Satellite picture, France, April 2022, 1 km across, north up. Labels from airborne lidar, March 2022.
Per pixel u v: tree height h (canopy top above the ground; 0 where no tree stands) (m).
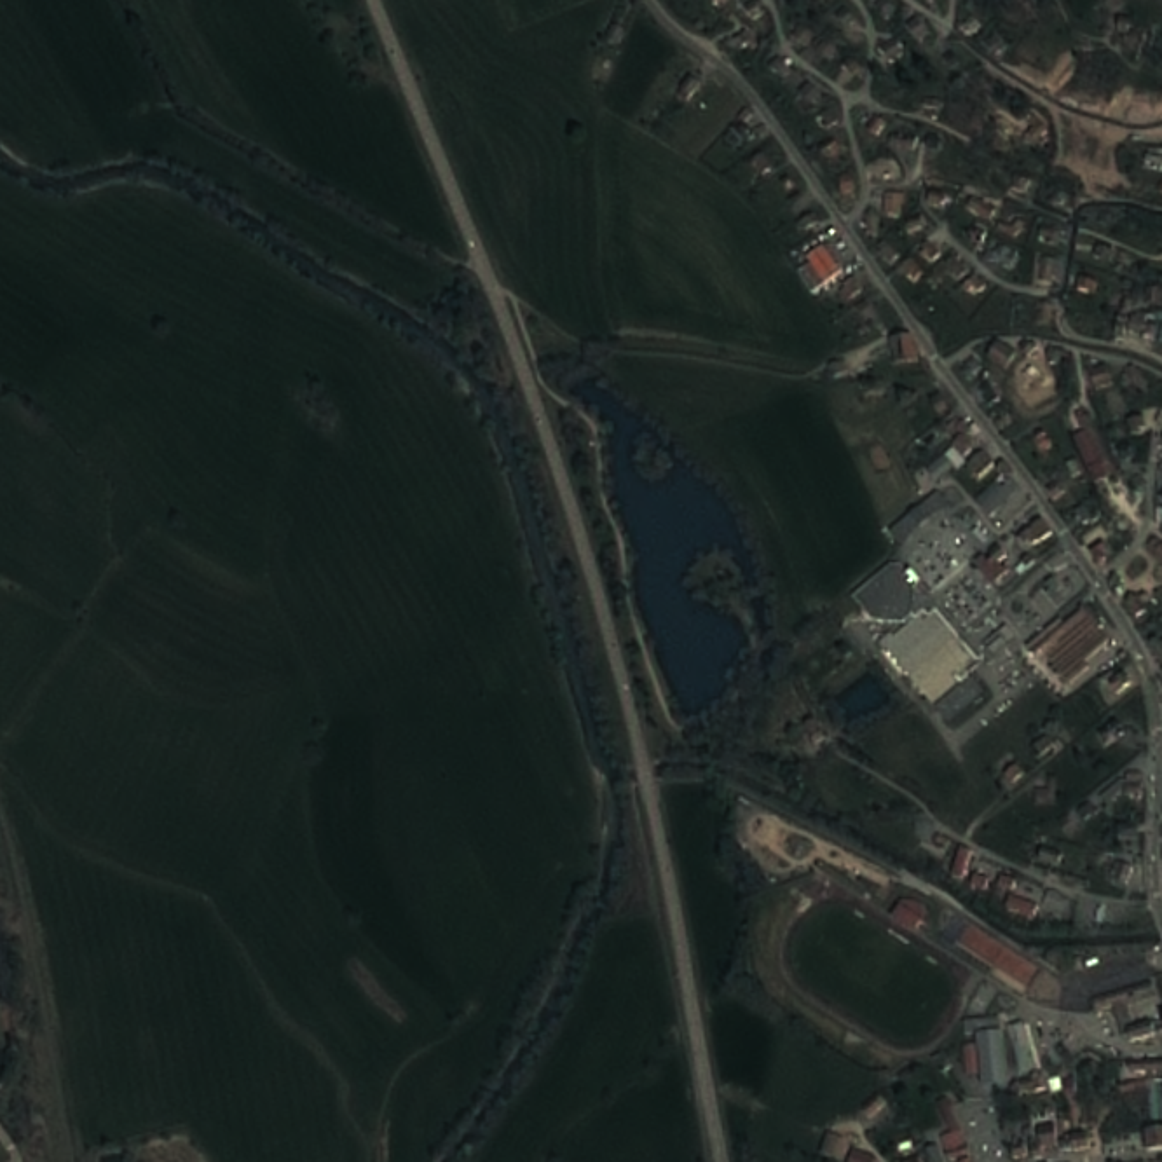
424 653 0
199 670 0
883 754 0
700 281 0
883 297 0
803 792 12
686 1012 0
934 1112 0
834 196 0
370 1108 0
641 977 0
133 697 0
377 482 0
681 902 0
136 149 0
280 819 0
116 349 0
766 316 0
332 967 0
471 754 0
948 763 0
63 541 0
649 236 0
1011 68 0
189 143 0
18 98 0
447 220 0
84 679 0
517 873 0
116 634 0
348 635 0
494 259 0
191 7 0
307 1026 0
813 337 0
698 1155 0
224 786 0
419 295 0
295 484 0
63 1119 0
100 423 0
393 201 0
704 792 0
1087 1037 0
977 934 0
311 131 0
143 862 0
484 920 0
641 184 0
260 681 0
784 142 0
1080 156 0
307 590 0
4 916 16
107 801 0
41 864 0
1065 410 0
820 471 0
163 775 0
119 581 0
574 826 0
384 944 0
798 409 0
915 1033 0
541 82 0
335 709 0
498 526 0
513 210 0
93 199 0
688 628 0
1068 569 0
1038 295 0
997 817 0
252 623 0
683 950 0
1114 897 0
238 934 0
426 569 0
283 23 0
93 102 0
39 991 0
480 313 18
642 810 0
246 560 0
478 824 0
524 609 0
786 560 0
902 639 0
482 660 0
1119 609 0
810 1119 0
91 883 0
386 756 0
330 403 18
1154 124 0
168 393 0
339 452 0
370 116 0
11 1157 0
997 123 9
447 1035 0
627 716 0
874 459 0
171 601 0
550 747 0
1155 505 0
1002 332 0
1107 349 0
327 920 0
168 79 10
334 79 0
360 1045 0
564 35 0
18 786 0
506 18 0
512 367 0
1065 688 0
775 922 0
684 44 0
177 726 0
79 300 0
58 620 0
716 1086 0
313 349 0
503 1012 0
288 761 0
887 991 0
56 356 0
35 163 0
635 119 0
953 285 0
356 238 0
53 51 0
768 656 0
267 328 0
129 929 0
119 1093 0
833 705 17
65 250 0
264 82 0
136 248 0
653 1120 0
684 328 0
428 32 0
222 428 0
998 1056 0
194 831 0
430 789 0
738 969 15
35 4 0
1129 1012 0
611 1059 0
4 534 0
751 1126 0
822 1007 0
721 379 0
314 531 0
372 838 0
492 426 13
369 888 0
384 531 0
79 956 0
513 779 0
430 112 0
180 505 0
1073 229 0
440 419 0
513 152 0
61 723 0
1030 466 0
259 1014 0
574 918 13
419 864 0
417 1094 0
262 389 0
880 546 0
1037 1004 0
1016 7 21
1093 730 0
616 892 13
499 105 0
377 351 0
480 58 0
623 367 0
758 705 22
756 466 0
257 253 0
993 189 0
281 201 0
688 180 0
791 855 0
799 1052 0
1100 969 0
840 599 0
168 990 0
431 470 0
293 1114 0
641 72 0
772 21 0
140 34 10
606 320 0
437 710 0
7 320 0
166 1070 0
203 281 0
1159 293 0
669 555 0
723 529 0
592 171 0
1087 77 0
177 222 0
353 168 0
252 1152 0
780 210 0
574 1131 0
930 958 0
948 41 0
